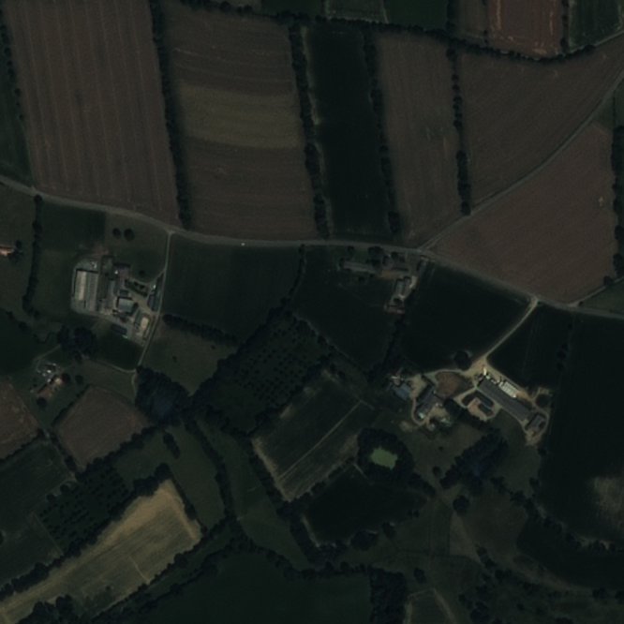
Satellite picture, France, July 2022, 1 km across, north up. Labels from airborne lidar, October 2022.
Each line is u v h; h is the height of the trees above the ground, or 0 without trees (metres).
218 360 0
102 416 0
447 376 0
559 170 0
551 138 0
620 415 0
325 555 24
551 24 0
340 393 0
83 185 0
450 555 0
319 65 0
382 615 20
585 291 0
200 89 0
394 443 29
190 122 0
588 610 0
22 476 0
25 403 0
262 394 6
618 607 0
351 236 0
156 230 0
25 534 0
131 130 0
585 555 0
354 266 0
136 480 0
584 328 0
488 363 0
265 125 0
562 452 0
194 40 0
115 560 0
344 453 0
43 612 23
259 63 0
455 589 0
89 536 14
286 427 0
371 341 0
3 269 0
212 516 0
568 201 0
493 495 0
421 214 0
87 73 0
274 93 0
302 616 0
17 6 0
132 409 0
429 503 0
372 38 9
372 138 0
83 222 0
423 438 0
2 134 0
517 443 0
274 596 0
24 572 0
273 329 8
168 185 0
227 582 0
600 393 0
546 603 0
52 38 0
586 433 0
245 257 0
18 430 0
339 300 0
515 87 0
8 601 0
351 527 0
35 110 0
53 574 0
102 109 0
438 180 0
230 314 0
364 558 0
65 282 0
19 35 0
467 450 0
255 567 0
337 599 0
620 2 0
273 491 18
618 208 15
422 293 0
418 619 0
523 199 0
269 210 0
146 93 0
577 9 0
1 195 0
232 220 0
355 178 0
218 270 0
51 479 0
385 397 0
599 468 0
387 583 23
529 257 0
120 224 0
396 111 0
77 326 0
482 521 0
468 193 21
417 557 0
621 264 16
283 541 0
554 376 0
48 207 0
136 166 0
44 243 0
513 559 0
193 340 0
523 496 15
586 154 0
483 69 0
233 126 0
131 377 0
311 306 0
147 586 9
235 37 0
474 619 17
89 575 0
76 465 9
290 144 0
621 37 0
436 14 0
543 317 0
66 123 0
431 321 0
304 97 15
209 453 29
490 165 0
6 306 0
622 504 0
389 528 21
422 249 0
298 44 20
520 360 0
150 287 0
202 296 0
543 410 0
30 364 0
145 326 0
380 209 0
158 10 18
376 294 0
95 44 0
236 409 0
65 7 0
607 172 0
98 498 6
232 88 0
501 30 0
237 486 0
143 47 0
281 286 0
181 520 0
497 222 0
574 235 0
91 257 0
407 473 32
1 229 0
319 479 0
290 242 0
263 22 0
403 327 17
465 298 0
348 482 0
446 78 0
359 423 0
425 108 0
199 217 0
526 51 0
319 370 21
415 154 0
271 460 0
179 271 0
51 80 0
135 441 17
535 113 0
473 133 0
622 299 0
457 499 0
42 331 0
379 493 0
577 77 0
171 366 0
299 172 0
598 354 0
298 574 7
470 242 0
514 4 0
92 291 0
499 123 0
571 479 0
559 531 22
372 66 11
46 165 0
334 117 0
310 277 0
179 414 24
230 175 0
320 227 17
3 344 0
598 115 0
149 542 0
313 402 0
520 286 0
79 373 0
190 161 0
